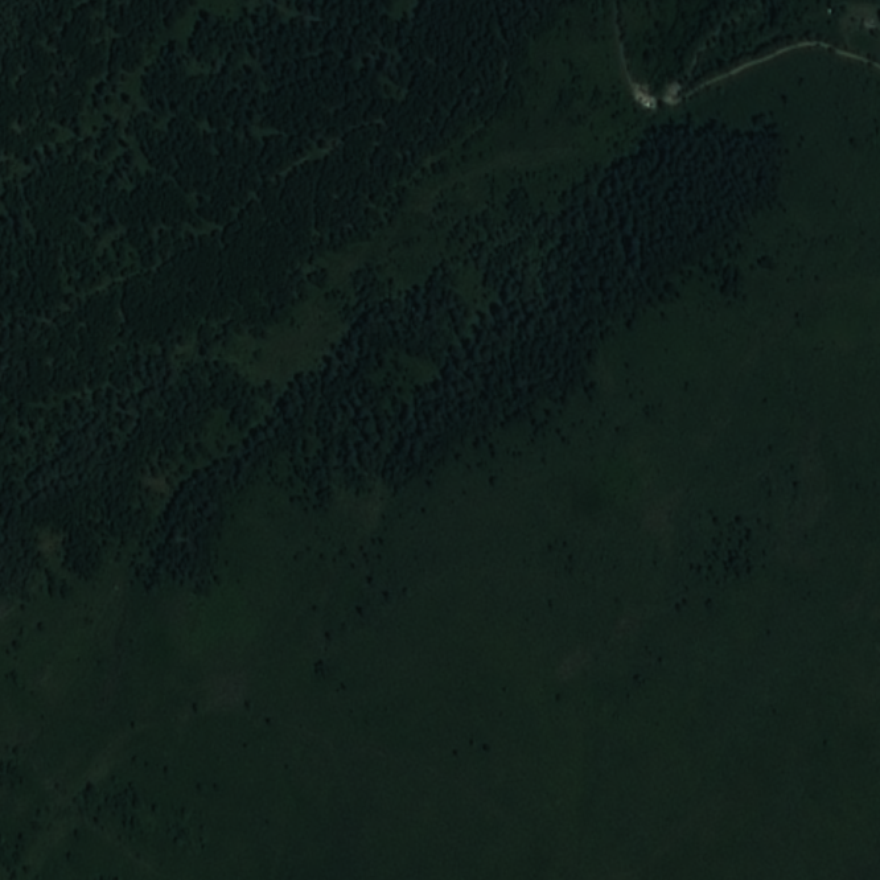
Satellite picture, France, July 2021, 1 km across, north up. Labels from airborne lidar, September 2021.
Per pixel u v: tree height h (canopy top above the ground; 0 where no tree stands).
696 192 28
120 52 20
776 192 20
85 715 0
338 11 17
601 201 13
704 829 0
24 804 0
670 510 0
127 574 0
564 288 17
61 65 14
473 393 25
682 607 12
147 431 15
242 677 0
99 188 16
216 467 13
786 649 0
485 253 20
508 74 8
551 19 14
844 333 0
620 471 0
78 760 0
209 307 18
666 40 8
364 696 0
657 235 22
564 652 0
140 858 6
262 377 0
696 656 0
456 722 0
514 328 16
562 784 0
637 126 6
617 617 0
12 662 0
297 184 19
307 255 19
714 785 0
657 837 0
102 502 12
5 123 15
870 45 0
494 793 0
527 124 7
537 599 0
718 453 0
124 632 0
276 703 0
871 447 0
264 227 13
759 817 0
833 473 0
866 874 0
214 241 14
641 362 0
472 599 0
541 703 0
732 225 17
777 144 19
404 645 0
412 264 0
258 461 16
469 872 0
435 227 11
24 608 14
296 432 22
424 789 0
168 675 0
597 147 0
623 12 12
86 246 12
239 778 0
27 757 0
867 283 0
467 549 0
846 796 0
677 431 0
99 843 0
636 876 0
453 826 0
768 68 0
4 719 0
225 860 0
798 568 0
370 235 16
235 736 0
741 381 0
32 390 25
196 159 19
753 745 0
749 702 0
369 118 17
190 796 0
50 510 16
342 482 6
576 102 14
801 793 0
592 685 0
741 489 0
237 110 17
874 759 0
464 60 24
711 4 10
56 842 0
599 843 0
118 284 12
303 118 17
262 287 15
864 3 0
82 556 19
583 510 0
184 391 15
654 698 0
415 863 0
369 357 15
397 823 0
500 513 0
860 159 0
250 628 0
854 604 0
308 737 0
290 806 0
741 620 0
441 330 23
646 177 21
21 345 12
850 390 0
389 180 19
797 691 0
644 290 24
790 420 0
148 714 0
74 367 12
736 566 14
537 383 23
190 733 0
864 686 0
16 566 17
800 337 0
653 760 0
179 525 16
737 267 8
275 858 0
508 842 0
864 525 0
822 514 0
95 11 13
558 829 0
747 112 0
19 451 20
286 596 0
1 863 7
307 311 0
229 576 0
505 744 0
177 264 17
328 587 0
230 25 9
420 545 0
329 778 0
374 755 0
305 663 0
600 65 0
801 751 0
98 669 0
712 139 25
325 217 21
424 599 0
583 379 19
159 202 16
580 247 23
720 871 0
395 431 23
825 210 0
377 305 17
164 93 17
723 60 10
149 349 8
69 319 13
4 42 7
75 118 13
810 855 0
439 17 19
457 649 0
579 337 20
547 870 0
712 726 0
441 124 25
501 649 0
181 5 26
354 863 0
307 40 18
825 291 0
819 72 0
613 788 0
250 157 18
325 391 17
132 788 9
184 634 0
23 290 14
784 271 0
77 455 21
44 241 13
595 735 0
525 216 16
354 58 32
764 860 0
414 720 0
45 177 12
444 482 0
